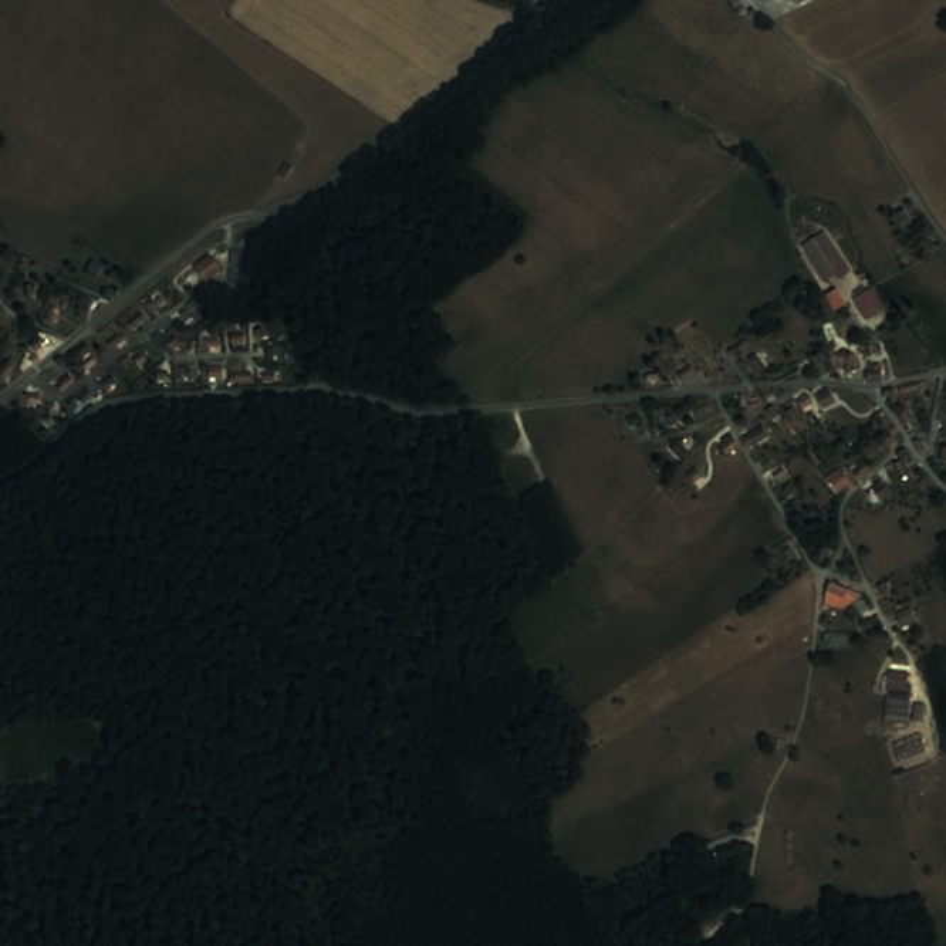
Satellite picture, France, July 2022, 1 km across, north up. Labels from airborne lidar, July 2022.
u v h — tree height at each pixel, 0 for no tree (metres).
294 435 27
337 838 29
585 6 29
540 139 0
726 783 13
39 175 0
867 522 0
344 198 23
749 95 0
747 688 0
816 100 0
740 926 21
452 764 8
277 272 28
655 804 0
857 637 12
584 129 0
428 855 17
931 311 0
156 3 0
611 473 0
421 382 21
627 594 0
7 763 0
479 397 0
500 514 31
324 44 0
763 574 0
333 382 18
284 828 27
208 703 29
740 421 14
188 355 0
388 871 8
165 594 23
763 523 0
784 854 0
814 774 0
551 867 15
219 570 31
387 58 0
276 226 23
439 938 6
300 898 24
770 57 0
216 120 0
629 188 0
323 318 28
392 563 33
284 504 27
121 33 0
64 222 0
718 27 0
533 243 0
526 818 12
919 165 0
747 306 0
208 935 24
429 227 28
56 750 0
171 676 24
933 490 6
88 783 24
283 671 29
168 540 29
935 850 0
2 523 23
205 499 28
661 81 0
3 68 0
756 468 0
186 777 26
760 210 0
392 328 32
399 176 31
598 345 0
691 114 0
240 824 32
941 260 0
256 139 0
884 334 15
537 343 0
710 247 0
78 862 35
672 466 15
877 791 0
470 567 32
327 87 0
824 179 0
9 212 0
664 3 0
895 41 0
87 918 30
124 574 26
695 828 0
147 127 0
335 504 31
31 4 0
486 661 26
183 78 0
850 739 0
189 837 27
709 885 26
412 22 0
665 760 0
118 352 0
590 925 20
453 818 14
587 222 0
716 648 0
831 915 24
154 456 28
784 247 0
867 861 0
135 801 27
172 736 31
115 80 0
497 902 16
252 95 0
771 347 0
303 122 0
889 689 0
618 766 0
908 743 0
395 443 27
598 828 0
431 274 28
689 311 0
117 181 0
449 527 35
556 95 0
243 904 29
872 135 0
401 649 30
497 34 0
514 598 20
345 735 31
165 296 6
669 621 0
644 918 23
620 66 0
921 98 0
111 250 0
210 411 23
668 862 18
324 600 31
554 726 30
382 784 32
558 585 0
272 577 23
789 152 0
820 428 6
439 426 29
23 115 0
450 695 11
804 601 0
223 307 23
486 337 0
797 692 0
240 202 0
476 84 26
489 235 24
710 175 0
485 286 0
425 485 31
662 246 0
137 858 26
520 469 0
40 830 24
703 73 0
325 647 29
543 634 0
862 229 0
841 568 10
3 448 21
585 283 0
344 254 23
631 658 0
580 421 0
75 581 29
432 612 12
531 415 0
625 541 0
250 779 30
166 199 0
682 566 0
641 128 0
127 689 29
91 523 27
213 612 30
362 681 28
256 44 0
